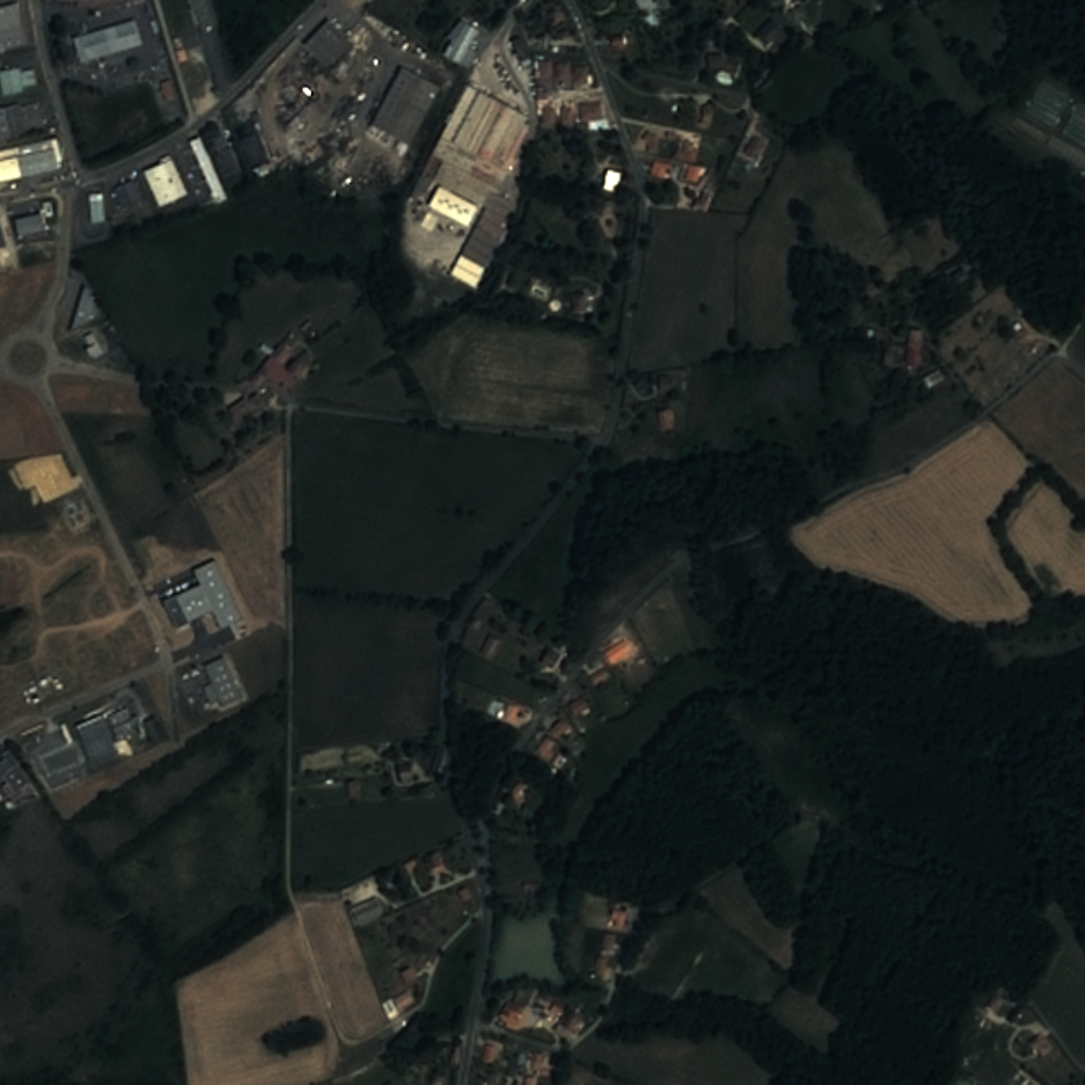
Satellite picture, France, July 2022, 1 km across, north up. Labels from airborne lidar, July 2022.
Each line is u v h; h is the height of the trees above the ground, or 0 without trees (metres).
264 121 0
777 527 19
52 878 0
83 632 0
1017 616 0
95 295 8
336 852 0
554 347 0
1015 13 19
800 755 0
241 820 0
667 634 0
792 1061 25
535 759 20
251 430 13
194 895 0
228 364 0
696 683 0
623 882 20
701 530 13
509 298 20
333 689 0
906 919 17
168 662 0
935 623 12
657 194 19
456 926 0
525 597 0
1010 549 11
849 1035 20
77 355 0
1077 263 24
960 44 16
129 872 0
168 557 0
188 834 0
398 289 17
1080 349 0
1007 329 11
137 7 0
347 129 0
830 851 9
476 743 12
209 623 0
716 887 0
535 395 0
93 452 0
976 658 16
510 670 0
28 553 0
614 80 0
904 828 11
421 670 0
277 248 0
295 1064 0
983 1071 0
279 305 0
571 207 17
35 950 0
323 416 0
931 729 10
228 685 0
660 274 0
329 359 0
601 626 0
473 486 0
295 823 0
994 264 19
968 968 15
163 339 0
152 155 0
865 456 7
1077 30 24
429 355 0
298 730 0
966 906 21
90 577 0
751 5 12
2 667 0
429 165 0
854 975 18
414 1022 7
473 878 0
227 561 0
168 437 10
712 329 0
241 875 0
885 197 6
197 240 0
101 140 0
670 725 13
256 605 0
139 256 0
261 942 0
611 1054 0
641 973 0
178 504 0
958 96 0
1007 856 6
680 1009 20
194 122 0
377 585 0
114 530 0
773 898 17
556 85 0
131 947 0
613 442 0
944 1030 19
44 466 0
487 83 0
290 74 0
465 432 7
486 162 0
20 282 0
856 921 18
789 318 0
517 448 0
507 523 0
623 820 18
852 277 21
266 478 0
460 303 6
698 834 15
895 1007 14
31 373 0
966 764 6
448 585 0
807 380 0
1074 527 9
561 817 23
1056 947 15
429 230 0
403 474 0
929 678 18
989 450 0
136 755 0
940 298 9
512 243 17
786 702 20
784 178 0
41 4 0
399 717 0
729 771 23
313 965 0
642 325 0
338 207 10
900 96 20
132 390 0
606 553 27
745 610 21
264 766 0
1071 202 24
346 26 0
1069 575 0
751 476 23
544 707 0
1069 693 11
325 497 0
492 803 10
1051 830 21
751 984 0
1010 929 18
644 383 9
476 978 0
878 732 8
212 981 0
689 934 0
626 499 30
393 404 0
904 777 6
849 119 16
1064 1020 0
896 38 9
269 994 0
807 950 22
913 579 0
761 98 12
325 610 0
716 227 0
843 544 0
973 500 0
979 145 23
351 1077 0
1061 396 0
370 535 0
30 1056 0
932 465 0
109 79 0
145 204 0
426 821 0
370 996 0
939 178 22
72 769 0
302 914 0
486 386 0
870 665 25
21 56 0
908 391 8
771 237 0
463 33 0
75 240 0
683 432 0
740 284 0
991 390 0
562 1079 18
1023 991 15
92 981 0
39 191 0
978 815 8
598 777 0
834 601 17
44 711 0
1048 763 27
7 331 0
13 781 0
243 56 7
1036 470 9
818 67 0
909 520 0
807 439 0
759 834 18
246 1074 0
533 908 7
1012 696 12
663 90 0
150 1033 0
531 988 12
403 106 0
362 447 0
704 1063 0
